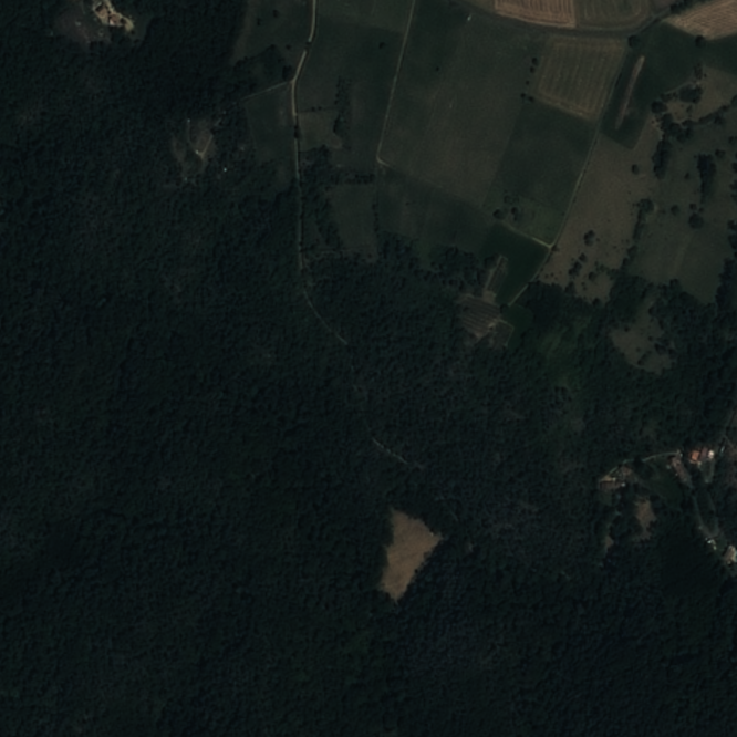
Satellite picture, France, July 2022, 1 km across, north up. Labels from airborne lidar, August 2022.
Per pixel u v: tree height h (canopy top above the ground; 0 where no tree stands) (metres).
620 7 0
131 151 9
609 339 7
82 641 18
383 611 24
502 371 12
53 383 15
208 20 18
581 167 0
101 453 18
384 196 0
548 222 0
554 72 0
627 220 0
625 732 15
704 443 12
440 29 0
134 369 13
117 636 15
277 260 10
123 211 8
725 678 16
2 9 17
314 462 27
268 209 17
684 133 5
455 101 0
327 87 0
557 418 15
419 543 0
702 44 14
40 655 6
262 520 20
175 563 11
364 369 7
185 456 8
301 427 22
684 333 16
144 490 11
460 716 9
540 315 12
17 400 8
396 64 0
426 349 6
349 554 17
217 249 14
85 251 7
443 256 6
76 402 12
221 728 13
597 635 17
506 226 0
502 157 0
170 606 9
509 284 0
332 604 11
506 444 10
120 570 20
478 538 15
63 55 14
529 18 0
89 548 10
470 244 0
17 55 16
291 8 0
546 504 15
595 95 0
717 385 24
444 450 18
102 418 9
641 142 0
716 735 16
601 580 18
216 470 17
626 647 25
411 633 23
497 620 19
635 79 0
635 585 12
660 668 20
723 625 23
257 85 10
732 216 0
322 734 17
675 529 10
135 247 10
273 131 0
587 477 9
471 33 0
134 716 16
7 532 16
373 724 16
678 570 13
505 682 17
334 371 15
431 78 0
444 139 0
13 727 9
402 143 0
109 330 18
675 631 8
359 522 12
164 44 14
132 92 19
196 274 13
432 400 9
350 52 0
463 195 0
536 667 28
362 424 10
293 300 7
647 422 8
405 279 8
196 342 27
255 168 5
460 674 15
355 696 23
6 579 16
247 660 17
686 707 14
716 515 7
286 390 23
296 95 0
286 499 18
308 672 17
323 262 7
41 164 19
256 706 14
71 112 11
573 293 15
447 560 20
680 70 0
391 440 6
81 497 13
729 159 0
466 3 0
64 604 24
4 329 17
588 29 0
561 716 18
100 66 7
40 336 21
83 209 8
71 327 21
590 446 15
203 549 23
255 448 19
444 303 7
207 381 15
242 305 17
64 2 14
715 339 21
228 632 22
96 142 12
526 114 0
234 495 9
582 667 18
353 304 16
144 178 7
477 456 17
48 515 19
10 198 8
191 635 17
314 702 16
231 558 17
